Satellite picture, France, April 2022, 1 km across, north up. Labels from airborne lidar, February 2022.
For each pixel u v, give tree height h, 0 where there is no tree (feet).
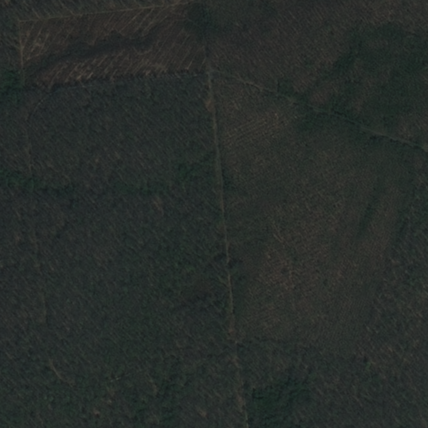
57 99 79
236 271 104
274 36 68
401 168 52
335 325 61
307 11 64
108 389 100
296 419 90
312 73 69
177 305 105
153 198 103
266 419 87
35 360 112
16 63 98
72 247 95
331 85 66
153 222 108
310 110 52
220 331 97
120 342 96
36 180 89
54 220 110
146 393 94
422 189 74
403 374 84
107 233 106
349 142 0
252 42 70
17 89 101
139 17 0
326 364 94
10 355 108
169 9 0
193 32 0
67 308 106
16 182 100
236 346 78
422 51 67
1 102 96
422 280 93
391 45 55
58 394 91
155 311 100
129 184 102
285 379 91
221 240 81
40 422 97
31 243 102
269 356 94
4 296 96
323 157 0
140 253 111
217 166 81
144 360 92
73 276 115
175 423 100
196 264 110
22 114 97
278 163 0
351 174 0
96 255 99
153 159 94
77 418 96
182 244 104
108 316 95
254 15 59
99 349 106
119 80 0
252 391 103
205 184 101
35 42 0
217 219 97
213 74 0
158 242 105
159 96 84
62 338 105
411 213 75
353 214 56
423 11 69
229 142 0
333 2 75
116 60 0
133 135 101
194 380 84
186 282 103
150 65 0
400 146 54
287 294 67
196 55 0
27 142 87
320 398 100
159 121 109
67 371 98
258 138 0
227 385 86
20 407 93
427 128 73
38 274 103
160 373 106
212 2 0
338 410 97
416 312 95
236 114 54
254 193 0
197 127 108
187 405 90
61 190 98
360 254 54
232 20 0
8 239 97
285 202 54
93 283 106
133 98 112
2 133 107
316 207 0
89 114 91
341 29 73
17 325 111
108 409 89
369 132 0
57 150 84
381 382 99
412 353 86
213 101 0
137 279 96
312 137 52
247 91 0
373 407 92
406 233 55
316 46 72
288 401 87
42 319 105
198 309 94
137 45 23
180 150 108
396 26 57
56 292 103
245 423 81
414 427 102
